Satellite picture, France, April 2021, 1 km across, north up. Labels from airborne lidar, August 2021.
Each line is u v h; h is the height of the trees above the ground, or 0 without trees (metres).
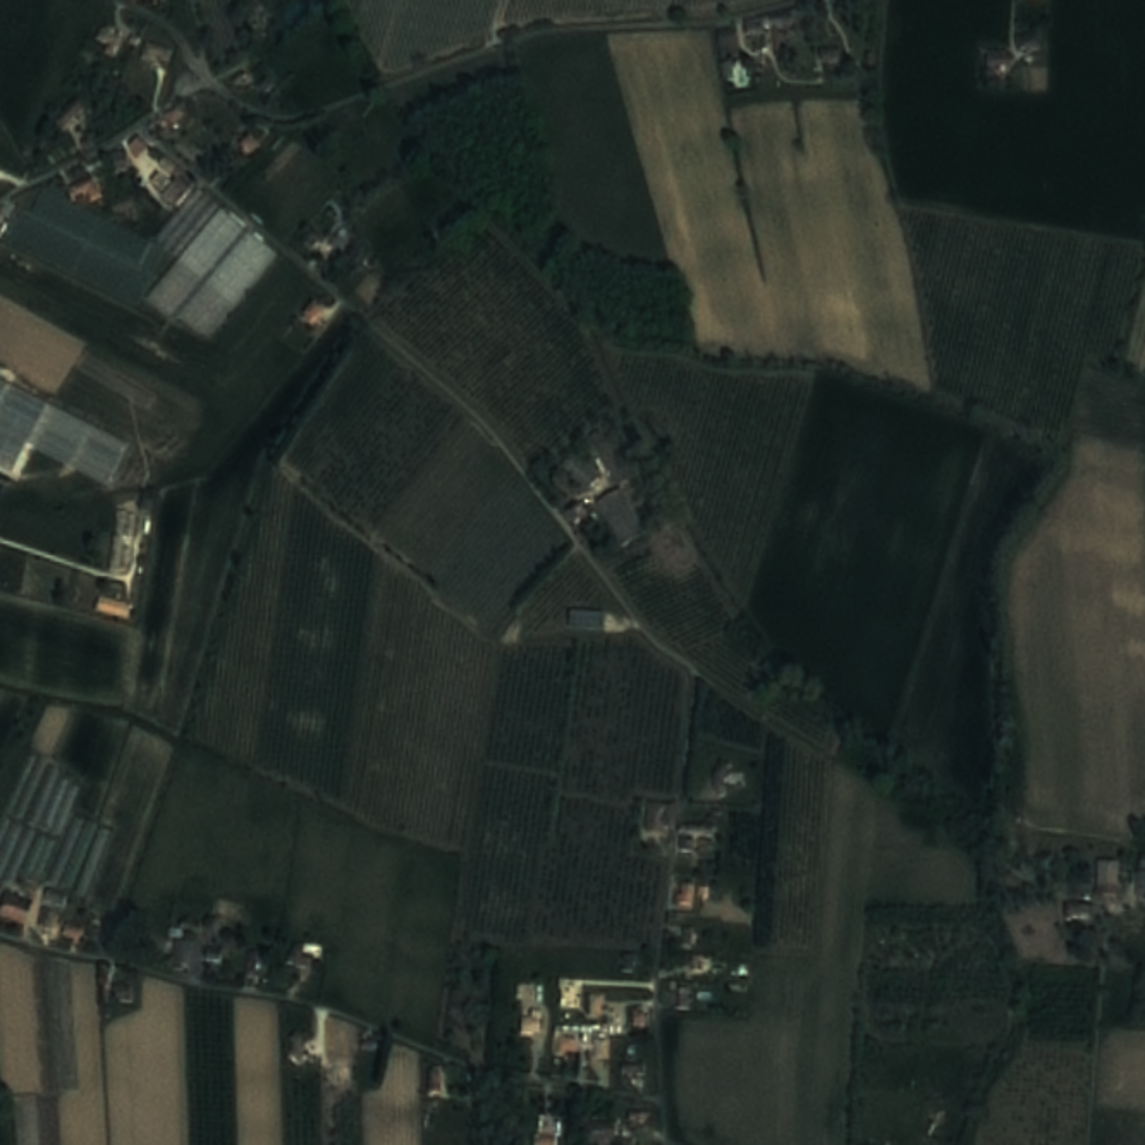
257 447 0
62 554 0
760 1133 0
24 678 0
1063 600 0
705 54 0
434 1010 0
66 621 0
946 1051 0
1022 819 0
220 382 0
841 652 0
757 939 7
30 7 0
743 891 5
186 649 0
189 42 0
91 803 0
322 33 0
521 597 12
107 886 0
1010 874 19
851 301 0
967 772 0
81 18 0
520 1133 18
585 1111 15
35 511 0
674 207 0
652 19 0
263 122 7
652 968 0
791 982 0
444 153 22
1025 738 0
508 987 0
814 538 0
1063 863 15
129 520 0
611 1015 0
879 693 0
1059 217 0
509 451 0
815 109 0
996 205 0
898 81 0
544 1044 0
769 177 0
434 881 0
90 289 0
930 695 0
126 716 0
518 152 24
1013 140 0
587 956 0
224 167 17
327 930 0
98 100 10
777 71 0
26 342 0
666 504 27
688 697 0
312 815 0
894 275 0
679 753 7
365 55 12
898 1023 9
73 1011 0
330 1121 0
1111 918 11
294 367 0
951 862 0
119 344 0
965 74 0
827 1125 0
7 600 0
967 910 6
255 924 0
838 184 0
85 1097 0
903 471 0
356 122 0
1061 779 0
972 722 0
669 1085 0
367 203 13
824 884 0
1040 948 0
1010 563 29
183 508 0
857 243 0
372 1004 0
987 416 20
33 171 8
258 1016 0
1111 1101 0
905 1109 0
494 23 0
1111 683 0
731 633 7
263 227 0
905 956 7
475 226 21
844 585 0
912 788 19
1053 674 0
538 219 24
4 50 0
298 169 0
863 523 0
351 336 17
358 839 0
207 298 0
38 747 0
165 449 0
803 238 0
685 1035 0
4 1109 21
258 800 0
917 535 0
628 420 15
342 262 13
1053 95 0
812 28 15
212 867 0
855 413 0
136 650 0
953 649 0
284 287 0
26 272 0
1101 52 0
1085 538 0
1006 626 25
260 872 0
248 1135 0
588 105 0
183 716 0
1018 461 0
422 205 0
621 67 0
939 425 0
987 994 6
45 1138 0
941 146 0
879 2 9
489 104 23
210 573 0
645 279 21
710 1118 0
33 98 0
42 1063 0
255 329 0
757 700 20
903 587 0
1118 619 0
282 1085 0
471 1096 15
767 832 7
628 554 7
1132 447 0
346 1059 0
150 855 0
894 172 0
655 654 0
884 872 0
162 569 0
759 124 0
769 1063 0
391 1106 0
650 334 14
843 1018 0
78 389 0
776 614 0
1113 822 0
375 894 0
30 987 0
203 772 0
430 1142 0
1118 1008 0
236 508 0
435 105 16
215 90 7
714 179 0
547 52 0
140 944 23
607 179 0
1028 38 0
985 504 0
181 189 0
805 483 0
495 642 0
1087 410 0
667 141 0
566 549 8
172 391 0
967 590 0
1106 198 0
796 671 28
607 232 0
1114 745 0
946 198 0
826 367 18
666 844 12
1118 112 0
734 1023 0
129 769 0
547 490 10
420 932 0
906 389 16
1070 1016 6
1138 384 19
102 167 7
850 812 0
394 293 17
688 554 0
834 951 0
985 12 0
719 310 0
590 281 23
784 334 0
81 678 0
